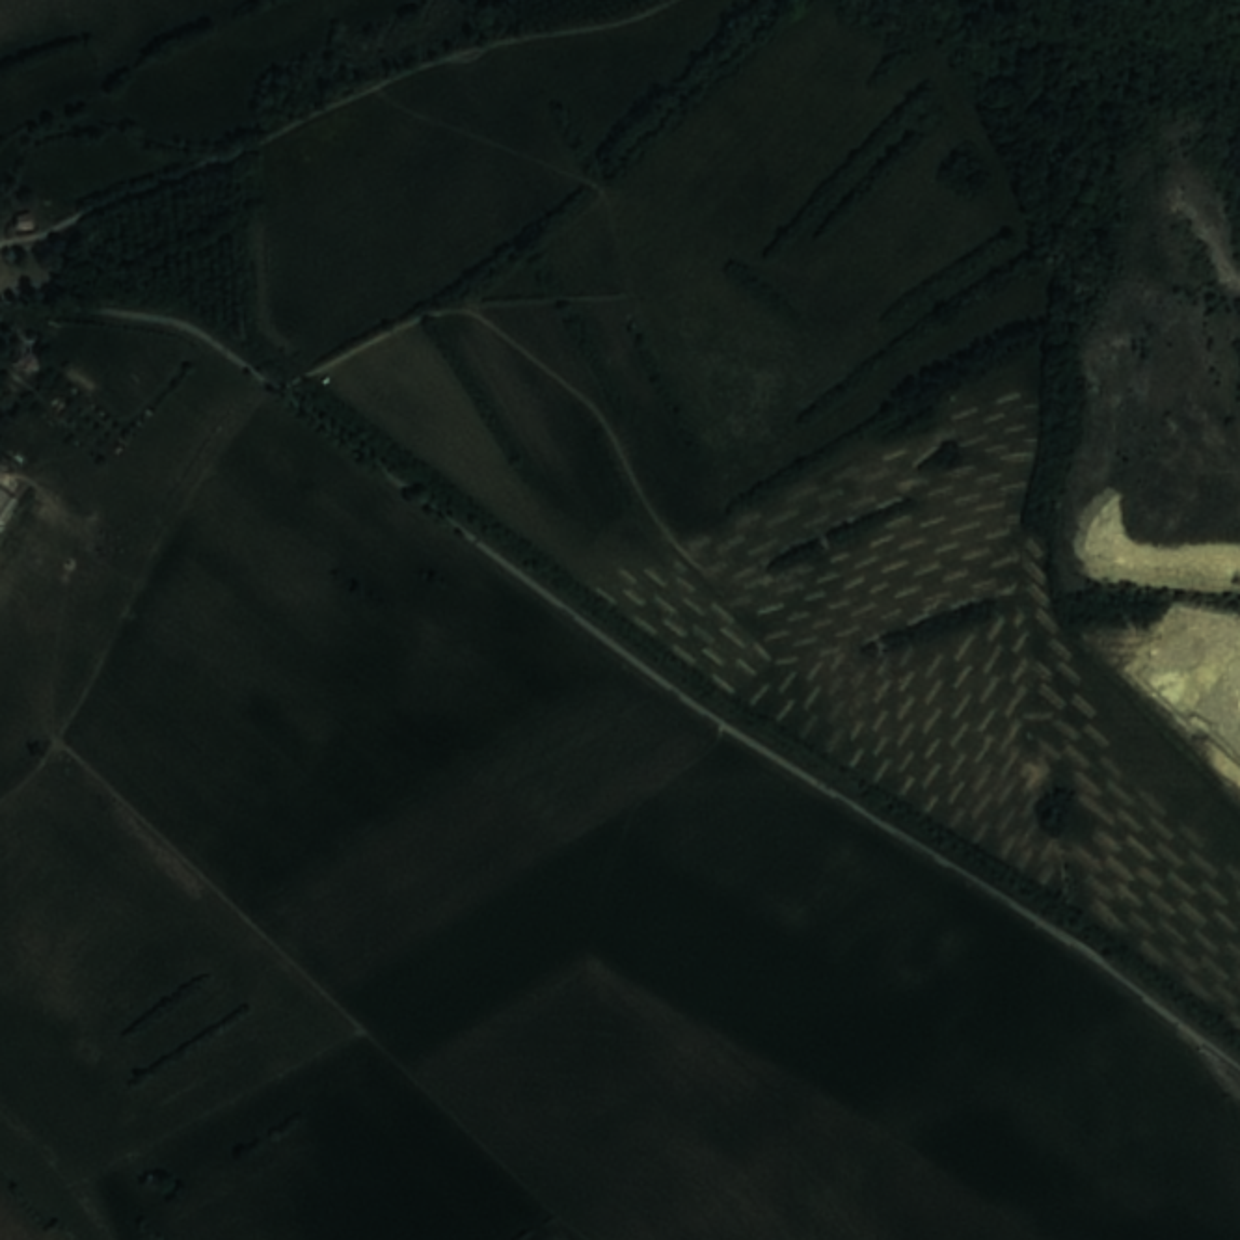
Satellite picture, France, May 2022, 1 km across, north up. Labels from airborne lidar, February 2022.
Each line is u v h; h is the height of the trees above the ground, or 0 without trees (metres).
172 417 0
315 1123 0
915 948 0
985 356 16
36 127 13
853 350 0
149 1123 0
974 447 0
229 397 0
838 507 0
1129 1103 0
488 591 0
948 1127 0
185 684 0
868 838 0
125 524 0
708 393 0
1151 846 0
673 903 0
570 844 0
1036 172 20
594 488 0
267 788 0
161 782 0
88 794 0
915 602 0
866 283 0
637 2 14
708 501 0
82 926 0
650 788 0
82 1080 0
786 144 0
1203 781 0
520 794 0
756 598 0
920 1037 0
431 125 0
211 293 8
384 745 0
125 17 0
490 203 0
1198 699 0
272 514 0
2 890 0
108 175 0
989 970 0
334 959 0
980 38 19
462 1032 0
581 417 0
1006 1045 0
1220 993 0
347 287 0
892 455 0
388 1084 0
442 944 0
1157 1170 0
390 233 0
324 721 0
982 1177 0
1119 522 0
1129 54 14
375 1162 0
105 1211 0
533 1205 0
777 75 0
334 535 0
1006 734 0
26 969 0
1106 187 9
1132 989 0
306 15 0
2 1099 0
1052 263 7
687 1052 0
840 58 0
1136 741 0
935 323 6
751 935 0
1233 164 12
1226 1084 0
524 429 0
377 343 0
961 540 0
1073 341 8
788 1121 0
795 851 0
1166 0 8
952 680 0
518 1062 0
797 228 6
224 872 0
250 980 0
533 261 12
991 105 14
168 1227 0
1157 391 0
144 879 0
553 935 0
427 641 0
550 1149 0
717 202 0
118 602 0
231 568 0
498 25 11
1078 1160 0
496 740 0
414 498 11
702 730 0
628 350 0
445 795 0
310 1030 0
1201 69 9
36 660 0
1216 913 0
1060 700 0
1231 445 0
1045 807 6
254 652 0
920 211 0
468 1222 0
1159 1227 0
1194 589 0
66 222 0
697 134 0
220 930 0
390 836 0
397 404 0
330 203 0
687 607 0
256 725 0
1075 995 0
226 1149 0
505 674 0
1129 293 0
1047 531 7
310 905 0
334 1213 0
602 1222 0
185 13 0
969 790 0
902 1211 0
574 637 0
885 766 0
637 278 0
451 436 0
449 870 0
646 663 0
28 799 0
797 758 0
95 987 0
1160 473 0
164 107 0
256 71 0
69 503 0
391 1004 0
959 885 0
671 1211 0
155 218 12
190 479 0
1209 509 0
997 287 10
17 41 0
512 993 0
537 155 0
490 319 0
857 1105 0
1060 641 0
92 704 0
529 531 0
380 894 0
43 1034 0
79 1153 0
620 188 0
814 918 0
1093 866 0
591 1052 0
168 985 0
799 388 0
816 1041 0
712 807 0
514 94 0
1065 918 6
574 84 0
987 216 0
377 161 0
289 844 0
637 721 0
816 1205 0
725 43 8
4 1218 0
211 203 10
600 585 0
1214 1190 0
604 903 0
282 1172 0
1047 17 7
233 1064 0
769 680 0
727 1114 0
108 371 0
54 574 0
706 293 0
